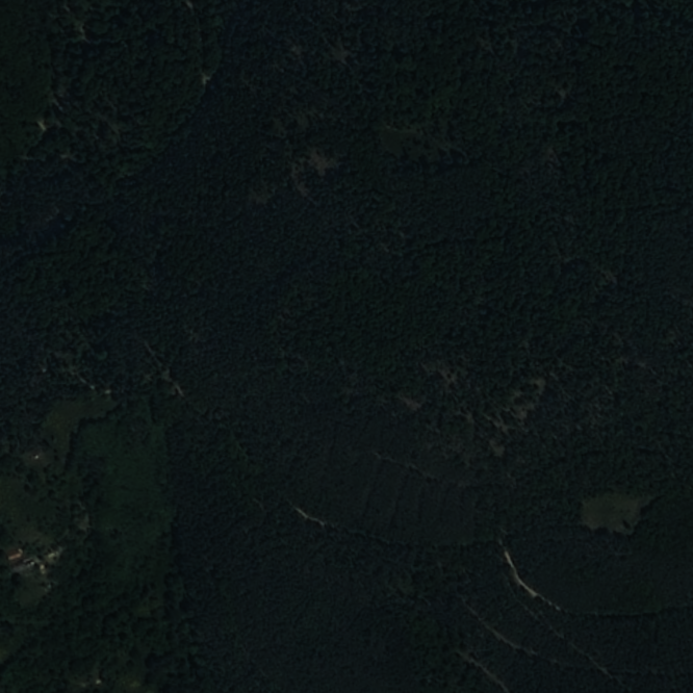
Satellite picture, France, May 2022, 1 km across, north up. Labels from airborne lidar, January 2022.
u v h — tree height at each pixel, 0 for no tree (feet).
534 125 55
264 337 77
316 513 58
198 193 75
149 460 80
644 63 90
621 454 77
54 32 37
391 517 42
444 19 82
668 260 75
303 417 64
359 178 67
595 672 61
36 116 41
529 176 69
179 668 77
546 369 68
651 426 75
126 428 80
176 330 80
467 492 50
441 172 82
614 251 64
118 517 74
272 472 58
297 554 65
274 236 57
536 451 81
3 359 93
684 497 44
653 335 73
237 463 84
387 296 77
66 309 108
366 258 64
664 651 71
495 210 83
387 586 60
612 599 47
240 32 73
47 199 90
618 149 81
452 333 39
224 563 70
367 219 64
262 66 77
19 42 41
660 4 28
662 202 66
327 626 69
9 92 66
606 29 94
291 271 104
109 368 106
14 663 41
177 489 93
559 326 81
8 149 31
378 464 41
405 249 40
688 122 80
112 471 80
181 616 31
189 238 58
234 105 73
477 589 58
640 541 41
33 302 98
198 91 71
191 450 59
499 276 71
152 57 115
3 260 89
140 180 81
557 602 43
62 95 115
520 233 76
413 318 66
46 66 100
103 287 120
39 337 76
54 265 110
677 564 41
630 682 67
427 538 46
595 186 83
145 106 102
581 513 30
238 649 64
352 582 74
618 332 69
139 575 52
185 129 72
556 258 80
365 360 66
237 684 77
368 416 56
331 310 71
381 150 30
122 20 132
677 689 77
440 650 29
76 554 44
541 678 69
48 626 26
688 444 73
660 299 65
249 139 63
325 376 68
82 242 119
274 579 62
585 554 67
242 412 80
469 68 74
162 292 80
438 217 80
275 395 66
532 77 70
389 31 85
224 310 81
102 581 56
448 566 59
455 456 58
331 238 68
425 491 47
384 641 53
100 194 95
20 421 72
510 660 39
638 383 64
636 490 38
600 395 73
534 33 85
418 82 98
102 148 84
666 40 87
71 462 65
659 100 89
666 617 74
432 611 67
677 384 68
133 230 89
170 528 35
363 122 55
